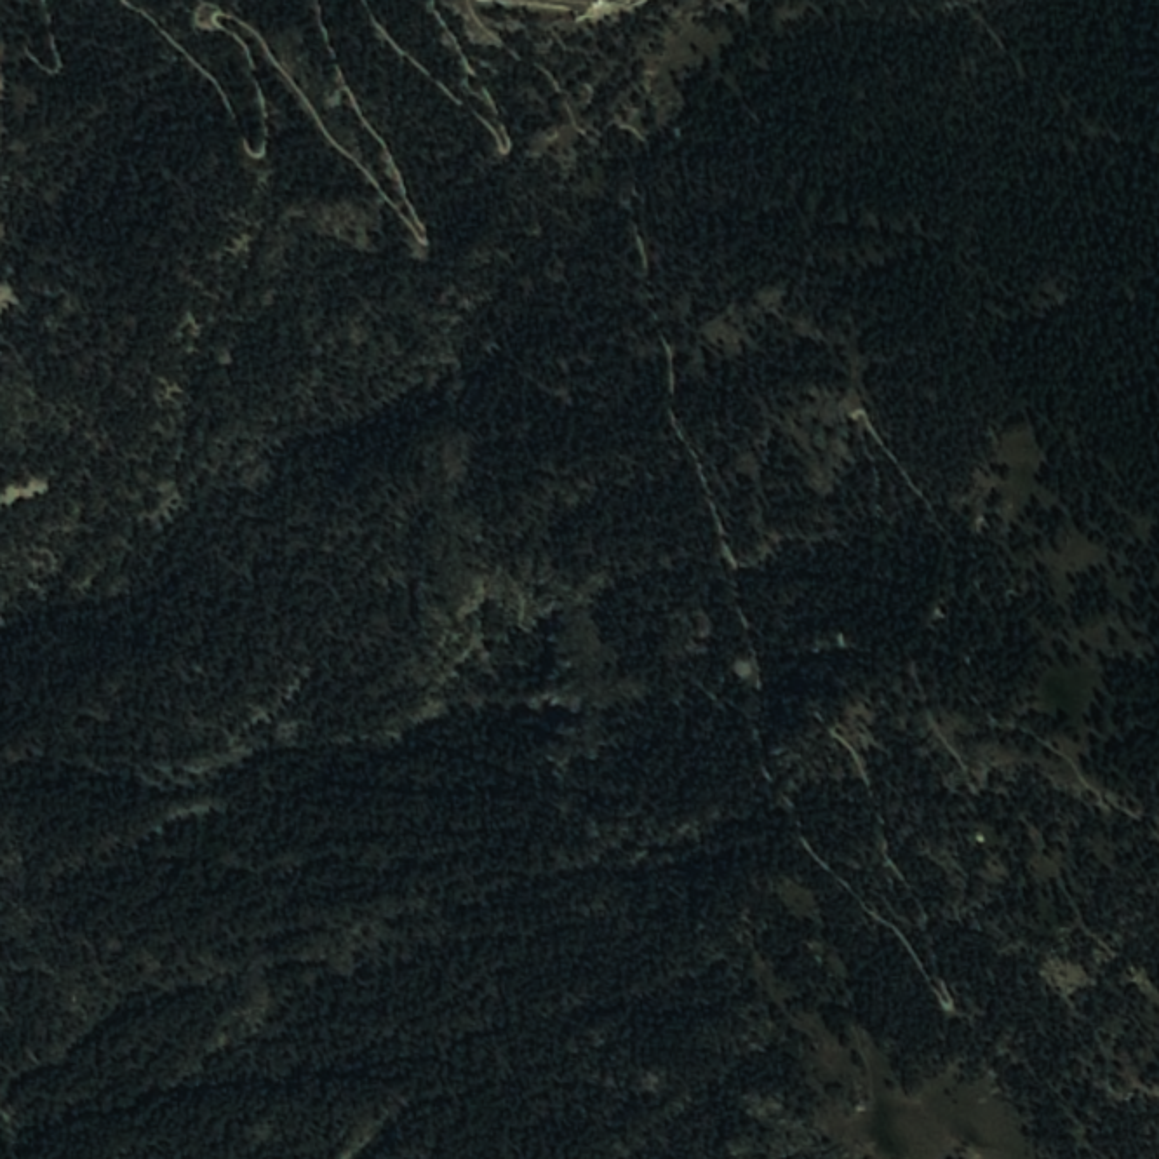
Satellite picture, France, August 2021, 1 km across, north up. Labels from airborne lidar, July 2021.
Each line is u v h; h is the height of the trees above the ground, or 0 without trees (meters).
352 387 10
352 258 11
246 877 9
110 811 14
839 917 10
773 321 12
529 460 15
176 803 12
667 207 8
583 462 14
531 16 8
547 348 13
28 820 12
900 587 7
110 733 13
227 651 12
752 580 13
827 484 0
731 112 13
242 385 10
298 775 13
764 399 8
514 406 11
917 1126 0
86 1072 10
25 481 8
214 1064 16
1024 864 12
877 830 13
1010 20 12
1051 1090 13
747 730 13
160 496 7
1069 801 11
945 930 8
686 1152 12
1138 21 16
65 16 10
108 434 12
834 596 16
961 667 9
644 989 14
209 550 9
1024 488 0
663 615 12
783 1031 9
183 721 8
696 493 10
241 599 10
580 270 12
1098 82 19
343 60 7
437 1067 16
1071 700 0
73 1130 23
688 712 7
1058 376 23
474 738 14
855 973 15
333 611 9
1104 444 18
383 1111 10
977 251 18
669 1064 12
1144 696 15
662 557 9
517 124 10
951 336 11
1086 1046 8
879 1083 0
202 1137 16
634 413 11
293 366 9
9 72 11
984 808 12
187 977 9
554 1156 9
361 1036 10
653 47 10
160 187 15
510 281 15
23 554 7
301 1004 8
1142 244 20
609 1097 10
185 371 10
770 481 9
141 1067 18
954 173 10
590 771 12
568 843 12
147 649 14
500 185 9
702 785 12
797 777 12
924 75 12
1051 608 14
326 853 11
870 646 12
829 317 12
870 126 9
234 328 10
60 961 14
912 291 19
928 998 12
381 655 9
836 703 10
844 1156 0
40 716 13
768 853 9
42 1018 14
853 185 11
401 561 11
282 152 7
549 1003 13
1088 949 11
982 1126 0
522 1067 11
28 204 10
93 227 17
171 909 17
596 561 8
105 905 15
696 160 10
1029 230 18
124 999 15
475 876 10
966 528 11
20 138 11
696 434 6
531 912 9
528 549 15
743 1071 12
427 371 14
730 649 14
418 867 8
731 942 10
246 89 8
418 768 18
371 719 17
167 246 10
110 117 7
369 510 10
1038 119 16
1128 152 10
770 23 13
